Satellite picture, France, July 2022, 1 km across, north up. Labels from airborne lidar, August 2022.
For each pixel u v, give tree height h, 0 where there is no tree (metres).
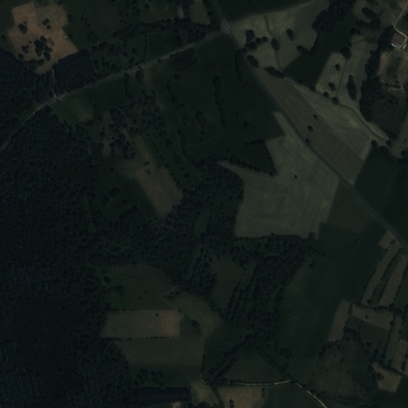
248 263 8
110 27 0
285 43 0
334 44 0
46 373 6
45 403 7
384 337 0
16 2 0
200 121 14
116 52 10
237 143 0
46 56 17
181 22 15
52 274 8
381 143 0
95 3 0
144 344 0
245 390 0
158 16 0
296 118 0
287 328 0
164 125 17
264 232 0
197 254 0
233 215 7
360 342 10
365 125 0
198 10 0
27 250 9
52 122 13
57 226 19
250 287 12
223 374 14
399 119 0
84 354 20
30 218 8
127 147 19
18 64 25
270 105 0
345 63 0
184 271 19
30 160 8
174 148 13
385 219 0
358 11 0
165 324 0
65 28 0
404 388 0
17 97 15
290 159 0
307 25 0
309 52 13
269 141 0
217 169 16
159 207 0
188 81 0
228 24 0
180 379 0
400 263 0
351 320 0
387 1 0
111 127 16
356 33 10
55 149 7
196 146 0
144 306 0
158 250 8
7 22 0
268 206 0
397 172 0
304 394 0
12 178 15
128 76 15
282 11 0
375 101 11
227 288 0
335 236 0
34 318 6
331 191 0
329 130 0
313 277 0
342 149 0
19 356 7
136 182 0
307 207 0
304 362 0
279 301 20
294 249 20
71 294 16
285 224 0
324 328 0
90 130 0
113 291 18
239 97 0
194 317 0
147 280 0
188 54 6
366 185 0
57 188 24
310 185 0
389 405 0
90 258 23
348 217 0
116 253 17
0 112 18
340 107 0
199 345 0
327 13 18
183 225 19
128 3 15
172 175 9
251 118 0
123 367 17
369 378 6
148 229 17
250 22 0
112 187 0
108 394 18
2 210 23
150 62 0
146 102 9
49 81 17
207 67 0
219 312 8
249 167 11
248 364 0
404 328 0
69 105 0
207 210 7
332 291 0
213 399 0
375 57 22
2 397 24
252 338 15
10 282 18
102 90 0
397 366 0
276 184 0
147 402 27
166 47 0
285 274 10
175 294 5
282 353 20
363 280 0
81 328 9
